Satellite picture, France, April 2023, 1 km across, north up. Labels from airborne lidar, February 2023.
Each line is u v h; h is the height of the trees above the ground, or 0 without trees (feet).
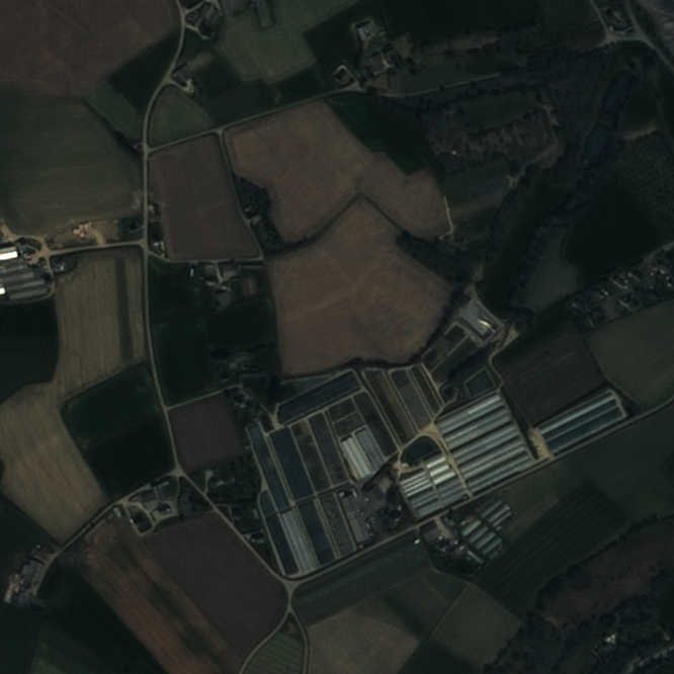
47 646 0
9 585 0
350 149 0
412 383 0
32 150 0
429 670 0
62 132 0
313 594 0
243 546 0
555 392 0
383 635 0
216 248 0
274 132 0
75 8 0
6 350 0
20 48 0
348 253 0
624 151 46
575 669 0
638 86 42
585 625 47
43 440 0
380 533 0
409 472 0
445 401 0
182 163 0
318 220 0
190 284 0
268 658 0
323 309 0
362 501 0
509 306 20
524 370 0
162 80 0
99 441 0
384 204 0
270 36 0
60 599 0
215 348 0
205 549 0
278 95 0
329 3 0
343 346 0
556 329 0
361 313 0
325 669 0
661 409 0
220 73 0
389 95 0
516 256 0
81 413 0
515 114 0
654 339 0
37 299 0
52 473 0
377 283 0
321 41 0
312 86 0
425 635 0
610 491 0
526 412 0
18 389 0
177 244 0
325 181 0
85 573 0
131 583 0
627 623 39
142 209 0
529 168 37
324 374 0
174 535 0
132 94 0
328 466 0
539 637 71
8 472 0
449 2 0
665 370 0
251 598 0
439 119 29
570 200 36
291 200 0
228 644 0
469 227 0
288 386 0
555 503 0
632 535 32
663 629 40
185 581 0
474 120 0
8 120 0
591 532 0
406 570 0
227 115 0
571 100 28
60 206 0
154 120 0
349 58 0
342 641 0
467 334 0
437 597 0
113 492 0
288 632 0
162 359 0
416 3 0
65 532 0
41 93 0
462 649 0
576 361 0
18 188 0
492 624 0
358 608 0
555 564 0
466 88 0
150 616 0
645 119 0
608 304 0
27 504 0
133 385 0
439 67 0
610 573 0
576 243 0
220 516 0
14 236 0
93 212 0
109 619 0
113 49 0
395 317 0
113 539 0
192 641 0
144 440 0
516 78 49
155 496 0
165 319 0
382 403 0
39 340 0
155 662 0
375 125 0
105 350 0
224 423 0
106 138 0
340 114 0
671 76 63
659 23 0
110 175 0
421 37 0
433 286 0
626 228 0
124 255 0
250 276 0
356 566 0
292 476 0
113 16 0
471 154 30
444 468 0
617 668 56
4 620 0
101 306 0
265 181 0
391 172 0
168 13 0
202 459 0
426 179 0
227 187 0
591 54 24
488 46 25
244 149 0
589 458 0
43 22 0
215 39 0
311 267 0
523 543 0
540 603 30
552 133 38
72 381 0
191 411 0
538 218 0
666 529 0
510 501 0
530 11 0
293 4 0
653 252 0
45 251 0
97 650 0
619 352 0
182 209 0
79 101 0
